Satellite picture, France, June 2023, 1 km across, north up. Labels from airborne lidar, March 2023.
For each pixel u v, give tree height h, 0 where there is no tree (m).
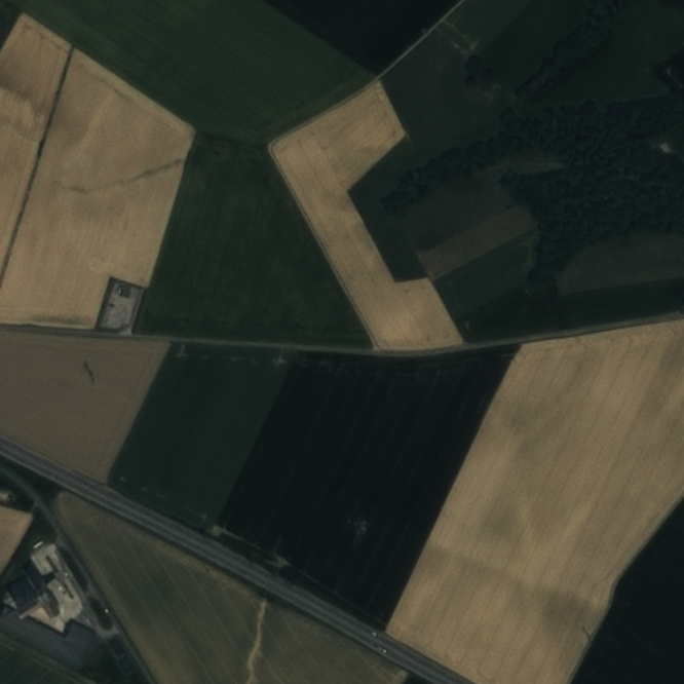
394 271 0
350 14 0
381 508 0
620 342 0
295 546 0
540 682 0
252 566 0
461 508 0
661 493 0
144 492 0
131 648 0
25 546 0
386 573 0
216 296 0
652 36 0
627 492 0
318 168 0
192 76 0
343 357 0
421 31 0
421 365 0
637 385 0
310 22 0
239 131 0
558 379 0
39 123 0
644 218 26
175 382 0
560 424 0
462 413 0
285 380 0
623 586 0
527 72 0
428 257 0
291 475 0
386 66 0
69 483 0
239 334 0
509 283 0
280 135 0
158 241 0
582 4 0
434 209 0
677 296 0
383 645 0
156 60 0
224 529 0
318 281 0
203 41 0
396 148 0
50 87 0
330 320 0
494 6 0
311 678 0
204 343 0
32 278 0
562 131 26
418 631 0
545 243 20
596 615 0
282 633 0
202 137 0
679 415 0
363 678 0
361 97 0
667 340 0
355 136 0
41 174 0
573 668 0
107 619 0
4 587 0
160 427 0
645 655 0
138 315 0
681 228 21
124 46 0
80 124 0
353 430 0
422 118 0
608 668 0
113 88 0
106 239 0
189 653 0
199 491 0
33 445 0
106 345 0
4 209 0
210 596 0
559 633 0
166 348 0
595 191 29
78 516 0
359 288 0
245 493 0
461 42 0
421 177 22
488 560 0
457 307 0
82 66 0
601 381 0
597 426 0
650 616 0
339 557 0
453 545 0
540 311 0
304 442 0
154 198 0
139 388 0
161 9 0
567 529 0
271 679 0
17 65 0
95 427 0
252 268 0
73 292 0
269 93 0
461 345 0
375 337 0
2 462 0
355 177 0
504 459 0
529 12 0
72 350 0
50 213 0
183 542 0
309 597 0
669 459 0
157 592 0
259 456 0
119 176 0
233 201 0
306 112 0
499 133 0
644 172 23
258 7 0
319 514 0
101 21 0
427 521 0
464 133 0
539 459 0
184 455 0
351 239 0
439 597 0
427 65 0
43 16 0
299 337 0
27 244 0
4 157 0
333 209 0
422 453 0
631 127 17
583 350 0
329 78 0
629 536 0
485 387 0
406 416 0
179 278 0
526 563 0
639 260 0
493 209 0
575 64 10
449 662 0
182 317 0
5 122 0
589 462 0
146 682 0
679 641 0
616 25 0
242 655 0
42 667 0
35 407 0
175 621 0
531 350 0
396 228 0
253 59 0
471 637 0
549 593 0
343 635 0
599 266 0
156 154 0
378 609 0
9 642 0
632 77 0
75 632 0
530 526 0
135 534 0
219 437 0
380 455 0
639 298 0
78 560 0
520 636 0
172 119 0
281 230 0
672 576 0
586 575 0
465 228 0
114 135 0
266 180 0
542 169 0
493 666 0
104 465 0
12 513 0
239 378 0
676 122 12
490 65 0
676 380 0
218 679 0
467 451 0
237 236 0
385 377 0
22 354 0
